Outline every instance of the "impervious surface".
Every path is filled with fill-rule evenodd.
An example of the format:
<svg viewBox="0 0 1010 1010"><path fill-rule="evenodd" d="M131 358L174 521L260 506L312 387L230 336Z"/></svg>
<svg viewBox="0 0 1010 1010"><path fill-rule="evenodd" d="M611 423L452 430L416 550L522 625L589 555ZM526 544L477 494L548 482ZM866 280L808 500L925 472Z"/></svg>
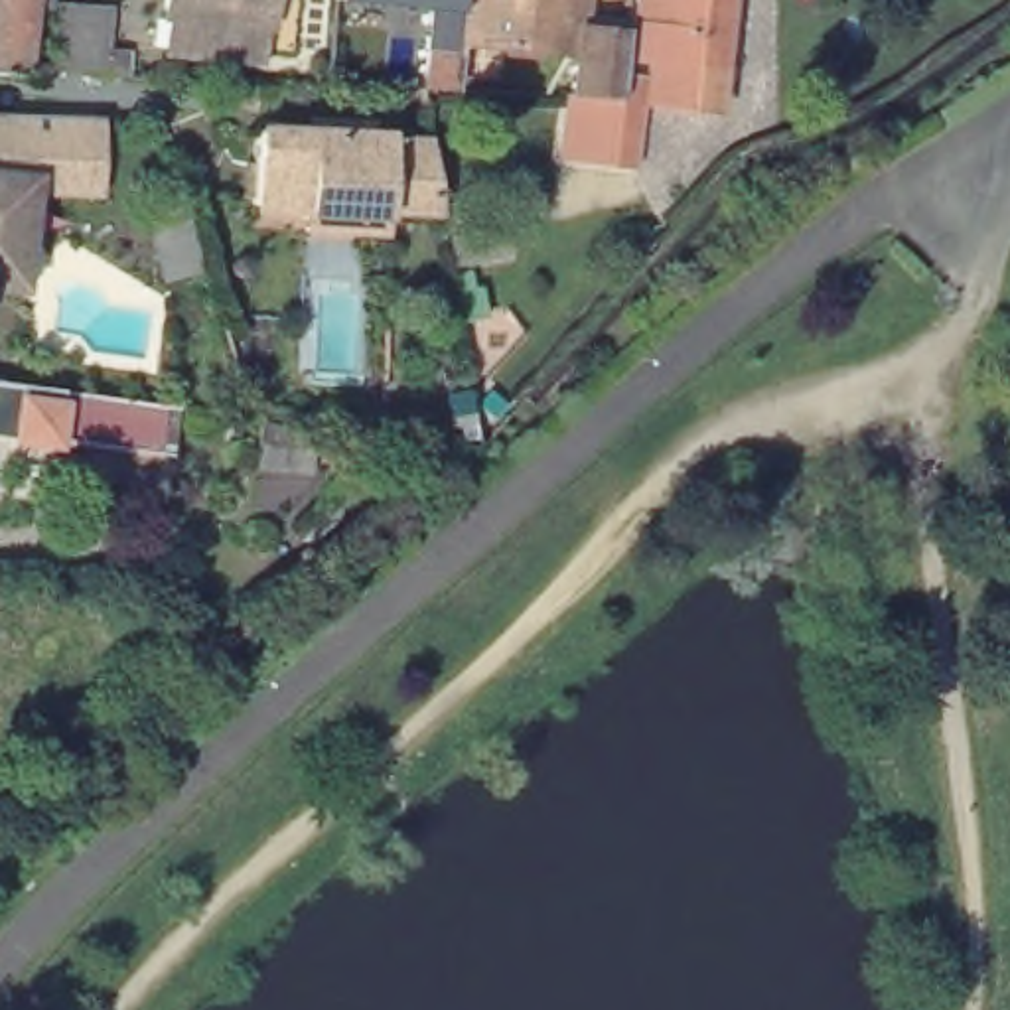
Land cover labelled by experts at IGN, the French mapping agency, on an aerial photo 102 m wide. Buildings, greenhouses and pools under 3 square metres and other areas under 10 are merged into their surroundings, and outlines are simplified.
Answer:
<svg viewBox="0 0 1010 1010"><path fill-rule="evenodd" d="M99 351L83 343L83 335L63 327L59 292L67 284L91 288L110 308L142 312L142 355ZM83 351L83 363L107 371L150 375L158 371L162 351L166 300L158 292L75 245L55 245L51 264L39 272L36 284L36 327L36 335L51 335L67 351Z"/></svg>
<svg viewBox="0 0 1010 1010"><path fill-rule="evenodd" d="M896 170L872 178L864 189L844 197L832 213L825 213L813 229L805 229L797 241L777 249L758 268L750 272L734 292L714 300L639 371L631 371L604 402L596 402L592 414L576 430L568 430L544 458L521 469L505 485L497 485L473 509L469 521L434 537L387 584L371 584L359 608L347 608L335 623L324 627L324 647L316 647L276 686L256 690L249 714L237 718L225 734L217 734L205 746L174 738L166 746L178 781L174 801L154 809L146 825L95 840L55 880L43 884L39 900L20 919L12 919L0 931L0 982L24 982L24 959L36 947L43 947L55 935L55 927L91 892L99 892L142 844L166 836L166 829L189 813L197 793L225 765L233 765L253 742L264 738L268 734L343 663L351 663L387 627L395 627L414 604L422 604L446 576L454 576L489 541L497 541L501 529L509 529L525 509L533 509L556 481L564 481L584 458L592 458L643 406L663 398L726 335L734 335L785 292L793 292L801 280L813 280L817 280L821 264L848 256L852 245L872 229L896 233L896 241L907 253L915 253L931 276L939 284L943 316L967 304L982 320L990 312L1010 320L1010 95L978 118L971 118L967 126L935 138L907 162L896 162Z"/></svg>
<svg viewBox="0 0 1010 1010"><path fill-rule="evenodd" d="M521 343L521 324L513 312L493 308L489 316L473 320L481 383L497 387L501 363Z"/></svg>
<svg viewBox="0 0 1010 1010"><path fill-rule="evenodd" d="M0 83L0 114L103 118L110 126L142 114L138 99L150 91L138 79L134 87L99 87L99 79L59 71L51 83L51 99L28 99L8 83Z"/></svg>
<svg viewBox="0 0 1010 1010"><path fill-rule="evenodd" d="M363 272L355 249L308 241L304 300L312 300L327 296L327 288L351 288L363 300Z"/></svg>
<svg viewBox="0 0 1010 1010"><path fill-rule="evenodd" d="M0 501L28 501L39 485L47 458L12 454L0 473Z"/></svg>
<svg viewBox="0 0 1010 1010"><path fill-rule="evenodd" d="M627 8L631 0L604 0L592 12L592 24L600 28L639 28L639 12Z"/></svg>
<svg viewBox="0 0 1010 1010"><path fill-rule="evenodd" d="M331 8L339 0L292 0L292 12L280 24L280 47L264 67L249 67L245 51L237 47L217 51L213 59L217 67L233 67L237 79L249 87L272 87L276 71L308 71L331 39Z"/></svg>
<svg viewBox="0 0 1010 1010"><path fill-rule="evenodd" d="M777 71L777 0L750 0L742 95L730 103L726 114L679 110L655 118L651 158L643 166L631 166L639 178L631 205L647 213L667 213L671 189L694 181L698 170L722 150L734 138L761 130L777 118Z"/></svg>

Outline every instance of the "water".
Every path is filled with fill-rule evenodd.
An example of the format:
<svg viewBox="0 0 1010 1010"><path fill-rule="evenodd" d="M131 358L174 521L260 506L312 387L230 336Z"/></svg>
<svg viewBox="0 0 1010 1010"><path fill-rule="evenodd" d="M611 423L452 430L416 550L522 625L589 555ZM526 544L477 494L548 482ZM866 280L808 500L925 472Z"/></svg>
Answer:
<svg viewBox="0 0 1010 1010"><path fill-rule="evenodd" d="M406 876L387 884L331 880L292 911L284 939L253 974L249 998L213 1010L884 1010L864 978L876 915L868 907L856 907L836 884L836 852L856 821L856 797L848 777L848 761L840 754L832 754L817 738L809 722L801 694L801 647L789 643L781 631L781 608L793 600L793 584L769 576L754 596L738 596L726 580L710 580L675 600L647 631L619 647L608 671L576 690L572 718L560 722L541 714L525 722L513 738L513 758L525 765L525 789L517 797L493 797L493 789L473 777L450 781L442 797L414 805L398 817L398 836L414 848L414 868Z"/></svg>

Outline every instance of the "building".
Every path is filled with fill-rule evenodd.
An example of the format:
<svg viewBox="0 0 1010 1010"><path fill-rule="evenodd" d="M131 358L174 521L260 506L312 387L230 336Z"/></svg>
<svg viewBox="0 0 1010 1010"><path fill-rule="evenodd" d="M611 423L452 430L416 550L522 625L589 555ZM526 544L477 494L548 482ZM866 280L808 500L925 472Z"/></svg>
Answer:
<svg viewBox="0 0 1010 1010"><path fill-rule="evenodd" d="M107 197L110 181L110 138L110 126L103 118L0 114L0 304L36 327L36 284L39 272L51 264L55 245L43 241L43 209L47 201L63 197Z"/></svg>
<svg viewBox="0 0 1010 1010"><path fill-rule="evenodd" d="M8 83L16 63L32 63L32 71L51 83L59 71L99 79L99 87L134 87L138 79L138 63L158 59L162 51L170 59L213 59L217 51L237 47L245 51L249 67L264 67L280 47L280 24L292 12L292 0L154 0L154 47L130 43L130 51L114 51L110 32L122 20L122 4L71 0L0 0L0 83Z"/></svg>
<svg viewBox="0 0 1010 1010"><path fill-rule="evenodd" d="M493 272L517 264L517 249L505 245L473 253L466 237L458 237L454 245L462 264L462 288L473 304L473 320L489 316L493 308L485 284L477 280L477 268Z"/></svg>
<svg viewBox="0 0 1010 1010"><path fill-rule="evenodd" d="M185 402L142 402L114 395L67 398L67 391L55 387L0 379L0 473L12 454L47 458L71 450L83 469L99 473L103 485L114 493L150 489L158 481L158 469L150 462L178 454L174 430Z"/></svg>
<svg viewBox="0 0 1010 1010"><path fill-rule="evenodd" d="M406 217L442 217L446 205L450 189L442 154L434 138L418 134L268 126L260 134L256 150L256 174L249 193L260 213L260 225L296 229L308 241L355 249L355 241L391 241L398 229Z"/></svg>
<svg viewBox="0 0 1010 1010"><path fill-rule="evenodd" d="M469 442L481 438L477 410L489 414L489 422L509 418L509 402L497 395L497 387L481 383L454 387L450 410L458 418L458 430Z"/></svg>
<svg viewBox="0 0 1010 1010"><path fill-rule="evenodd" d="M166 280L193 280L201 276L201 264L193 225L178 225L174 233L150 237Z"/></svg>
<svg viewBox="0 0 1010 1010"><path fill-rule="evenodd" d="M434 28L434 71L422 75L418 103L434 99L438 91L466 91L497 59L529 59L537 67L556 55L576 59L580 75L564 83L568 103L556 110L552 154L560 170L572 170L576 162L631 166L643 166L651 158L655 118L679 110L726 114L730 103L742 95L750 0L631 0L627 8L639 12L639 28L600 28L592 24L592 12L604 0L371 0L379 8L418 8L422 28Z"/></svg>
<svg viewBox="0 0 1010 1010"><path fill-rule="evenodd" d="M308 434L296 426L260 430L260 469L308 477L316 473L316 458L308 458Z"/></svg>

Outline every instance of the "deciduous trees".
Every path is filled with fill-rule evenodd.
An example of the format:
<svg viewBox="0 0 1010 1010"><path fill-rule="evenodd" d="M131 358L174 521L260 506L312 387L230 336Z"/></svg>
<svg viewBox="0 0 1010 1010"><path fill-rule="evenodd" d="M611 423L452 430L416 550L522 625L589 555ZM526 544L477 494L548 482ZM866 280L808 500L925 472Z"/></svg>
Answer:
<svg viewBox="0 0 1010 1010"><path fill-rule="evenodd" d="M178 927L209 903L213 888L225 876L201 852L185 856L181 864L166 860L170 874L162 903Z"/></svg>
<svg viewBox="0 0 1010 1010"><path fill-rule="evenodd" d="M51 83L32 71L32 63L16 63L8 83L28 99L51 99Z"/></svg>
<svg viewBox="0 0 1010 1010"><path fill-rule="evenodd" d="M777 249L797 241L805 229L813 229L825 213L832 213L844 197L864 189L872 178L896 170L896 162L903 130L919 122L923 107L903 95L864 114L844 114L840 87L817 67L817 59L789 59L777 71L777 118L789 118L789 126L801 138L785 150L746 158L742 166L746 181L738 181L726 193L722 213L750 229L750 264L758 268Z"/></svg>
<svg viewBox="0 0 1010 1010"><path fill-rule="evenodd" d="M813 280L809 300L801 308L801 327L809 335L840 335L856 320L856 308L844 308L840 292L817 280Z"/></svg>
<svg viewBox="0 0 1010 1010"><path fill-rule="evenodd" d="M990 971L990 939L986 923L978 923L971 923L959 900L939 888L939 876L923 876L919 844L931 844L943 829L923 817L888 813L884 805L868 801L876 789L868 777L848 777L856 797L856 821L836 852L836 884L856 907L868 907L876 915L864 978L884 1010L982 1010L982 986L974 982Z"/></svg>
<svg viewBox="0 0 1010 1010"><path fill-rule="evenodd" d="M454 387L481 383L473 320L473 304L462 288L462 264L454 245L438 241L426 264L406 268L402 253L410 249L410 233L398 229L391 241L355 241L355 249L363 272L363 300L363 383L383 383L391 391Z"/></svg>
<svg viewBox="0 0 1010 1010"><path fill-rule="evenodd" d="M79 990L83 1010L99 1010L99 998L107 990L118 994L138 963L130 955L110 955L107 947L91 947L83 939L67 947L59 959L71 967L71 974L87 982Z"/></svg>
<svg viewBox="0 0 1010 1010"><path fill-rule="evenodd" d="M521 469L509 462L509 442L481 438L469 442L458 430L442 438L426 422L383 422L379 430L363 430L343 410L296 422L284 406L260 398L260 387L237 363L237 351L221 355L217 363L193 367L174 363L162 351L158 371L150 375L107 371L83 363L83 351L67 351L51 335L36 335L36 327L0 304L0 379L55 387L67 391L67 398L114 395L142 402L185 402L174 430L178 454L150 462L158 469L158 481L150 489L114 493L103 485L99 473L83 469L71 450L47 458L39 485L28 501L0 501L0 529L39 529L36 544L47 544L51 552L67 556L55 576L63 600L79 596L95 604L114 643L99 655L99 671L87 683L39 686L24 694L12 710L8 730L0 734L0 931L12 919L20 919L39 900L43 884L55 880L95 840L146 825L154 809L174 801L178 781L166 746L174 738L205 746L217 734L225 734L237 718L249 714L256 690L276 686L316 647L324 647L324 627L335 623L347 608L359 608L371 584L387 584L434 537L469 521L473 509L497 485L505 485ZM339 517L355 501L375 501L375 509L339 544L320 552L316 560L300 560L296 572L276 580L260 600L233 612L225 627L213 627L201 619L205 604L197 600L197 541L181 533L158 505L162 497L181 497L193 509L213 513L217 541L225 548L256 552L264 564L272 564L272 533L284 529L284 521L276 513L256 513L260 469L260 430L296 426L308 434L308 458L316 458L316 473L327 485L296 517L292 529L304 529L312 537L324 521Z"/></svg>
<svg viewBox="0 0 1010 1010"><path fill-rule="evenodd" d="M884 43L903 36L915 51L923 47L915 32L927 20L927 12L915 12L911 0L864 0L856 28L868 36L868 43L880 51Z"/></svg>
<svg viewBox="0 0 1010 1010"><path fill-rule="evenodd" d="M982 320L967 351L955 359L959 383L947 391L951 418L939 430L947 473L939 477L931 537L947 564L974 576L982 588L1010 584L1010 320L990 312Z"/></svg>
<svg viewBox="0 0 1010 1010"><path fill-rule="evenodd" d="M237 79L233 67L217 67L213 59L170 59L162 51L158 59L138 63L138 79L150 91L138 99L142 114L110 126L110 138L118 138L122 150L144 154L148 178L134 189L118 189L110 181L107 197L63 197L63 221L114 225L114 237L150 237L174 233L178 225L193 225L193 193L185 181L193 174L193 162L162 134L162 126L174 122L181 107L197 107L197 134L209 138L213 158L229 150L249 158L256 150L260 134L253 130L253 118L237 114L237 107L253 95L264 103L264 110L280 110L284 103L327 103L355 114L375 114L418 103L422 75L418 71L402 87L351 87L339 71L339 55L355 51L351 36L331 39L308 71L276 71L272 87L249 87Z"/></svg>
<svg viewBox="0 0 1010 1010"><path fill-rule="evenodd" d="M974 619L955 619L955 690L967 706L982 710L1010 702L1010 612L986 608L978 600Z"/></svg>
<svg viewBox="0 0 1010 1010"><path fill-rule="evenodd" d="M923 564L915 544L915 525L923 525L923 517L911 517L896 501L896 489L911 481L915 454L884 446L880 458L868 466L864 450L852 442L856 434L829 438L825 450L805 450L789 438L738 438L714 446L679 473L667 501L651 509L627 552L651 576L663 572L663 560L686 564L690 556L706 552L718 564L710 580L726 580L738 596L754 596L769 576L793 584L793 600L781 608L781 631L789 643L801 647L801 694L809 722L817 738L832 754L840 754L852 742L876 738L876 726L888 718L923 718L931 730L943 722L943 690L935 686L933 643L921 594Z"/></svg>
<svg viewBox="0 0 1010 1010"><path fill-rule="evenodd" d="M497 746L473 777L493 789L493 797L517 797L525 789L525 765L513 758L513 738Z"/></svg>
<svg viewBox="0 0 1010 1010"><path fill-rule="evenodd" d="M466 91L438 91L434 99L418 103L418 134L434 138L442 154L454 146L458 158L493 162L513 150L505 118L489 107L477 107Z"/></svg>
<svg viewBox="0 0 1010 1010"><path fill-rule="evenodd" d="M331 880L387 884L406 876L414 868L414 848L398 836L398 817L414 805L406 793L383 789L387 773L379 750L371 734L351 730L347 714L324 718L296 742L276 742L268 734L264 738L276 746L276 785L304 813L312 813L316 821L331 817L355 813L367 829L351 848L343 848L343 860L335 864Z"/></svg>
<svg viewBox="0 0 1010 1010"><path fill-rule="evenodd" d="M619 249L612 241L612 229L600 221L588 237L592 292L619 296L635 280L639 256L631 249Z"/></svg>
<svg viewBox="0 0 1010 1010"><path fill-rule="evenodd" d="M446 205L466 221L466 237L473 253L505 245L505 237L529 221L533 209L548 201L541 185L533 185L529 193L509 193L501 181L466 193L450 189Z"/></svg>

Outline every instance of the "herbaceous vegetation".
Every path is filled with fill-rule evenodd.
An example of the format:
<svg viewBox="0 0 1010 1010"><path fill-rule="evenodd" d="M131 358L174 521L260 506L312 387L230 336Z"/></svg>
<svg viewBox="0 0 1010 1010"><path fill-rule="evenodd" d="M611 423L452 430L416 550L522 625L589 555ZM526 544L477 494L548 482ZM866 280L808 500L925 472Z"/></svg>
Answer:
<svg viewBox="0 0 1010 1010"><path fill-rule="evenodd" d="M217 541L213 513L193 509L181 497L162 497L158 505L181 533L197 541L197 600L205 604L201 619L213 627L225 627L233 612L260 600L276 580L296 572L300 560L316 560L320 552L339 544L375 509L375 501L355 501L339 517L324 521L312 537L304 529L292 529L296 517L327 485L316 473L308 477L260 469L256 513L276 513L284 521L284 529L272 533L272 564L264 564L256 552L225 548Z"/></svg>
<svg viewBox="0 0 1010 1010"><path fill-rule="evenodd" d="M438 241L454 245L458 237L466 237L466 221L446 205L442 217L406 217L398 229L410 233L410 249L402 253L406 268L426 264Z"/></svg>
<svg viewBox="0 0 1010 1010"><path fill-rule="evenodd" d="M79 596L63 600L28 596L20 588L0 592L0 734L8 730L12 710L24 694L39 686L87 683L99 671L99 655L114 643L95 604Z"/></svg>
<svg viewBox="0 0 1010 1010"><path fill-rule="evenodd" d="M284 939L292 911L331 880L335 864L343 860L343 848L351 848L367 829L355 813L331 817L331 829L316 836L308 848L300 848L260 888L237 900L233 911L138 1002L138 1010L213 1010L249 998L253 974Z"/></svg>
<svg viewBox="0 0 1010 1010"><path fill-rule="evenodd" d="M596 331L623 331L623 316L659 288L667 268L679 264L679 241L694 245L698 256L706 249L722 249L750 272L758 268L750 264L750 229L722 213L726 193L738 181L746 181L742 166L722 150L698 170L694 181L671 189L667 213L647 213L631 205L560 217L560 170L552 154L556 110L568 103L564 83L580 75L576 59L556 55L537 67L529 59L497 59L466 91L477 107L489 107L505 118L513 150L493 162L458 158L454 146L442 154L450 189L466 193L501 181L509 193L529 193L533 185L541 185L548 201L533 209L529 221L505 237L505 245L517 249L517 264L493 272L477 268L477 280L485 284L493 308L513 312L521 324L521 343L501 363L497 387L497 395L509 402L509 418L489 422L489 414L477 410L481 438L509 442L544 426L544 418L556 406L556 395L580 387L580 347ZM631 249L639 256L635 280L619 296L592 292L588 237L600 221L612 229L612 241L619 249Z"/></svg>
<svg viewBox="0 0 1010 1010"><path fill-rule="evenodd" d="M619 647L647 631L675 600L710 580L718 564L706 552L690 556L686 564L663 560L663 572L651 576L627 552L596 580L588 596L580 596L560 619L533 635L489 683L481 683L430 738L422 738L414 750L402 750L398 769L387 773L383 789L406 793L414 805L442 797L450 781L473 777L497 746L513 738L525 722L541 714L560 722L572 718L576 690L608 671Z"/></svg>
<svg viewBox="0 0 1010 1010"><path fill-rule="evenodd" d="M840 87L848 79L860 79L872 63L892 75L915 51L903 36L884 43L880 51L868 43L868 36L856 28L864 0L777 0L777 71L789 59L817 59L817 67Z"/></svg>
<svg viewBox="0 0 1010 1010"><path fill-rule="evenodd" d="M911 0L915 12L927 12L927 20L915 32L923 47L967 20L959 0Z"/></svg>
<svg viewBox="0 0 1010 1010"><path fill-rule="evenodd" d="M209 197L209 221L221 249L225 280L245 324L241 347L219 335L201 264L201 276L193 280L166 280L158 292L166 300L162 351L174 363L193 367L217 363L221 355L237 351L237 363L260 387L260 398L284 406L296 422L343 410L363 430L379 430L383 422L426 422L442 438L458 430L458 418L450 410L454 387L391 391L383 383L363 383L324 387L316 379L316 335L308 335L312 300L304 300L308 241L296 229L260 225L260 213L249 193L256 174L256 150L249 158L229 150L213 158L209 138L197 134L197 107L181 107L174 122L162 126L162 134L193 162L193 174L185 181L193 193Z"/></svg>
<svg viewBox="0 0 1010 1010"><path fill-rule="evenodd" d="M170 874L166 860L181 864L185 856L201 852L225 876L241 868L276 829L304 813L276 785L276 746L264 738L253 742L233 765L225 765L197 793L189 813L166 829L166 836L142 844L99 892L91 892L55 927L55 935L43 947L36 947L24 959L24 982L0 982L0 1010L83 1010L79 990L87 982L71 974L71 967L59 959L67 947L83 939L91 947L107 947L110 955L130 955L138 963L178 927L162 903Z"/></svg>
<svg viewBox="0 0 1010 1010"><path fill-rule="evenodd" d="M1010 1010L1010 702L982 710L967 706L986 896L986 911L978 923L986 923L990 939L990 971L974 982L982 986L982 1010Z"/></svg>
<svg viewBox="0 0 1010 1010"><path fill-rule="evenodd" d="M931 844L919 844L923 876L939 876L939 888L959 900L963 872L951 821L943 722L931 730L923 718L888 718L876 726L876 738L852 742L840 754L848 761L848 777L868 777L876 789L868 801L884 805L888 813L923 817L943 829Z"/></svg>
<svg viewBox="0 0 1010 1010"><path fill-rule="evenodd" d="M110 181L118 189L134 189L148 178L144 154L122 150L118 138L110 138Z"/></svg>
<svg viewBox="0 0 1010 1010"><path fill-rule="evenodd" d="M375 28L351 36L355 51L339 55L339 71L351 87L402 87L418 71L410 39L391 43Z"/></svg>
<svg viewBox="0 0 1010 1010"><path fill-rule="evenodd" d="M698 426L702 418L718 418L726 406L758 391L829 379L836 371L896 355L923 331L931 331L943 316L939 284L931 276L915 284L900 276L892 264L880 264L896 241L896 233L872 229L852 245L848 256L821 264L817 280L840 292L844 308L856 308L856 320L840 335L809 335L801 327L801 308L809 300L813 280L801 280L793 292L785 292L734 335L726 335L663 398L643 406L592 458L584 458L564 481L556 481L533 509L525 509L509 529L501 529L497 541L489 541L454 576L446 576L422 604L414 604L395 627L387 627L351 663L343 663L268 734L276 742L296 742L324 718L347 714L351 730L371 734L379 750L450 675L473 663L544 592L544 584L604 521L604 513L615 509L647 477L647 469L690 426Z"/></svg>
<svg viewBox="0 0 1010 1010"><path fill-rule="evenodd" d="M43 209L43 241L55 245L75 245L83 237L114 237L114 225L63 221L63 197L47 201Z"/></svg>
<svg viewBox="0 0 1010 1010"><path fill-rule="evenodd" d="M268 126L418 134L418 103L375 114L355 114L327 103L284 103L280 110L264 110L264 103L253 95L237 107L237 114L253 118L253 130L260 134Z"/></svg>
<svg viewBox="0 0 1010 1010"><path fill-rule="evenodd" d="M943 584L935 592L951 600L955 619L974 619L978 600L986 608L1010 612L1010 584L982 588L974 576L947 564Z"/></svg>

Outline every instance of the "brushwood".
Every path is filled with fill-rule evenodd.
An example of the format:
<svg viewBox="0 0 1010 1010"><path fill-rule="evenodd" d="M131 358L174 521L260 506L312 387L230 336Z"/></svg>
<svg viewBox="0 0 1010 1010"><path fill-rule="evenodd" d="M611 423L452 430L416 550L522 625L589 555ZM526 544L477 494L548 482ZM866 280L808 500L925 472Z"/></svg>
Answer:
<svg viewBox="0 0 1010 1010"><path fill-rule="evenodd" d="M75 245L158 292L166 280L150 237L114 237L83 237Z"/></svg>
<svg viewBox="0 0 1010 1010"><path fill-rule="evenodd" d="M596 402L604 402L631 371L639 371L714 300L734 292L750 272L722 249L706 249L698 256L694 245L679 241L679 264L667 268L659 288L623 316L623 331L596 331L580 347L580 387L556 395L556 406L544 418L544 426L509 442L509 462L521 469L544 458L568 430L576 430L592 414Z"/></svg>
<svg viewBox="0 0 1010 1010"><path fill-rule="evenodd" d="M880 264L892 264L900 276L915 284L931 276L915 253L907 253L896 241Z"/></svg>
<svg viewBox="0 0 1010 1010"><path fill-rule="evenodd" d="M742 166L746 158L785 150L801 138L789 126L789 118L777 118L761 130L734 138L722 150Z"/></svg>
<svg viewBox="0 0 1010 1010"><path fill-rule="evenodd" d="M221 249L209 221L209 197L193 193L193 225L201 264L219 335L241 347L245 324L225 280Z"/></svg>
<svg viewBox="0 0 1010 1010"><path fill-rule="evenodd" d="M63 600L55 576L39 572L36 564L0 564L0 592L20 588L28 596Z"/></svg>
<svg viewBox="0 0 1010 1010"><path fill-rule="evenodd" d="M971 118L978 118L1010 95L1010 0L959 0L967 20L923 47L915 51L892 75L872 63L860 79L848 79L840 87L844 114L864 114L903 95L923 107L919 122L903 130L896 162L907 162L935 138L967 126Z"/></svg>

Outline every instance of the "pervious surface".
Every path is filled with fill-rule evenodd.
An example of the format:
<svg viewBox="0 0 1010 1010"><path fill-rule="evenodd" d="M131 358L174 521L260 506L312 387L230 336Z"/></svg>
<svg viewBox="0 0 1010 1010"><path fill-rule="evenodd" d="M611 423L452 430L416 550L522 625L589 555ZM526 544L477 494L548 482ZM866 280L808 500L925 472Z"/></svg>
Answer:
<svg viewBox="0 0 1010 1010"><path fill-rule="evenodd" d="M339 0L331 8L331 39L351 36L375 28L391 43L410 39L418 71L422 75L434 71L434 28L422 28L418 8L379 8L371 0Z"/></svg>
<svg viewBox="0 0 1010 1010"><path fill-rule="evenodd" d="M39 529L0 529L0 564L36 564L39 572L55 576L67 556L51 552L47 544L36 544Z"/></svg>
<svg viewBox="0 0 1010 1010"><path fill-rule="evenodd" d="M572 170L560 170L560 217L631 205L639 178L631 166L576 162Z"/></svg>
<svg viewBox="0 0 1010 1010"><path fill-rule="evenodd" d="M114 51L130 51L130 43L154 47L154 0L71 0L122 4L122 20L110 32Z"/></svg>
<svg viewBox="0 0 1010 1010"><path fill-rule="evenodd" d="M118 994L107 990L99 998L99 1010L138 1010L138 1002L233 911L237 900L260 888L300 848L308 848L316 836L331 829L331 817L316 821L312 813L304 813L276 829L241 868L225 876L213 888L209 903L178 927L138 963Z"/></svg>
<svg viewBox="0 0 1010 1010"><path fill-rule="evenodd" d="M921 594L933 643L935 686L943 690L943 722L951 821L963 872L959 900L971 923L978 923L986 911L986 896L967 706L955 690L955 619L951 600L935 592L943 584L947 564L931 537L939 477L947 473L939 430L951 418L947 391L959 383L955 359L967 351L982 320L967 304L943 316L931 331L923 331L896 355L836 371L829 379L758 391L726 406L718 418L702 418L698 426L690 426L647 469L647 477L615 509L604 513L604 521L544 584L544 592L473 663L450 675L379 750L387 773L398 769L402 750L414 750L422 738L430 738L481 683L489 683L533 635L560 619L580 596L588 596L596 580L627 552L651 509L667 501L679 473L714 446L738 438L789 438L805 450L825 450L829 438L856 434L852 442L864 450L868 466L880 458L884 446L915 454L911 481L896 489L896 501L911 517L923 517L923 525L915 525L915 544L923 564Z"/></svg>

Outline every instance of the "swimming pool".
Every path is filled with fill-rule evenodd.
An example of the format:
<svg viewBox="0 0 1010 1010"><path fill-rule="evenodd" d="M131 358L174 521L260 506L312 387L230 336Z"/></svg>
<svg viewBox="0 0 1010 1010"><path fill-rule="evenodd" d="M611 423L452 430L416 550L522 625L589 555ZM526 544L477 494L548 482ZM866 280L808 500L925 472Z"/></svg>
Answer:
<svg viewBox="0 0 1010 1010"><path fill-rule="evenodd" d="M327 288L327 296L312 300L308 335L316 335L316 379L324 387L363 383L363 300L351 288Z"/></svg>
<svg viewBox="0 0 1010 1010"><path fill-rule="evenodd" d="M91 288L67 284L59 292L63 327L83 335L83 343L99 351L142 355L142 312L110 308Z"/></svg>

